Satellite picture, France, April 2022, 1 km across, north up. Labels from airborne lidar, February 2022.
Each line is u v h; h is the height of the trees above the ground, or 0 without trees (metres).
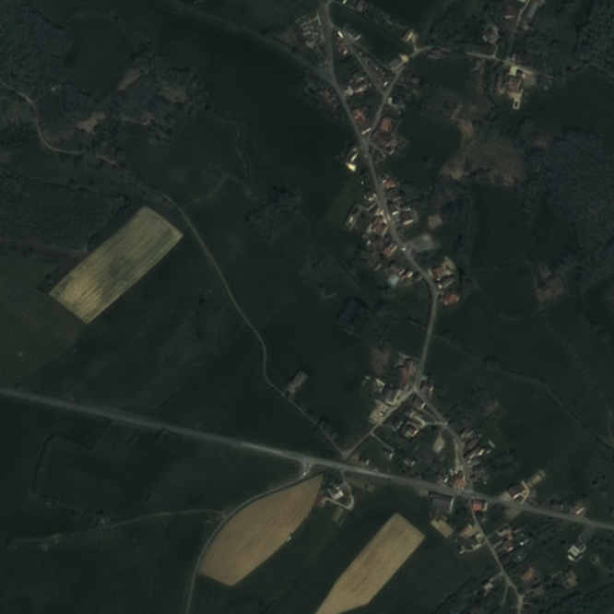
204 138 0
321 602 0
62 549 0
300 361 0
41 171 0
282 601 0
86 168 21
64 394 0
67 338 0
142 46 0
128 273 0
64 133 0
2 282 0
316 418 18
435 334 0
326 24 0
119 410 0
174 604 0
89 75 0
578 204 28
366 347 0
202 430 0
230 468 0
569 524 0
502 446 0
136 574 0
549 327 0
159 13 0
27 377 0
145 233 0
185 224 0
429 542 0
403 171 0
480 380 0
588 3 0
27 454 0
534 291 0
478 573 0
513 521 0
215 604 0
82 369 0
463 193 25
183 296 0
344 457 0
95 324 0
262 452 0
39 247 0
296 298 0
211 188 0
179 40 0
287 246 0
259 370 0
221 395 0
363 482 0
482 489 0
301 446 0
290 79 0
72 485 0
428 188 0
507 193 0
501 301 0
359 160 0
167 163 0
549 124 0
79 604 0
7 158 0
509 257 0
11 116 0
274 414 0
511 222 0
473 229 29
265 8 0
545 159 21
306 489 0
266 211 13
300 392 0
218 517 0
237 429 0
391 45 0
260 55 0
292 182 0
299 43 0
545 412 0
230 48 0
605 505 0
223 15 0
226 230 0
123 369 0
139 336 0
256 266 0
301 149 0
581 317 0
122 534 0
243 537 0
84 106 25
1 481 0
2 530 0
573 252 0
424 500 0
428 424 0
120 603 0
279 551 0
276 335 0
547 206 0
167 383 0
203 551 0
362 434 0
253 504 0
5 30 20
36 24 20
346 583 0
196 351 0
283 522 0
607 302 0
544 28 0
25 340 0
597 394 0
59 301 0
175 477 0
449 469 0
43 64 18
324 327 0
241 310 0
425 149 0
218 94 0
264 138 0
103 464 0
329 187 0
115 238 0
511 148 0
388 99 0
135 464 0
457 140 0
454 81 0
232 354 0
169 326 0
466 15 0
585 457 0
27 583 0
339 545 0
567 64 0
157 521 0
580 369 0
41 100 25
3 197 11
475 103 0
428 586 0
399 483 0
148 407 0
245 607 0
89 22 0
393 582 0
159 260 0
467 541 0
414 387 0
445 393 0
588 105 0
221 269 0
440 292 0
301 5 0
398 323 0
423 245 0
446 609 8
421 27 0
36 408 0
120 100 7
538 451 0
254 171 0
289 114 0
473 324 0
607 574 0
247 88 0
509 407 0
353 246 0
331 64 0
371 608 0
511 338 0
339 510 0
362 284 0
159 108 5
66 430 0
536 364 0
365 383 0
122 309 0
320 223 0
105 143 11
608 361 0
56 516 0
